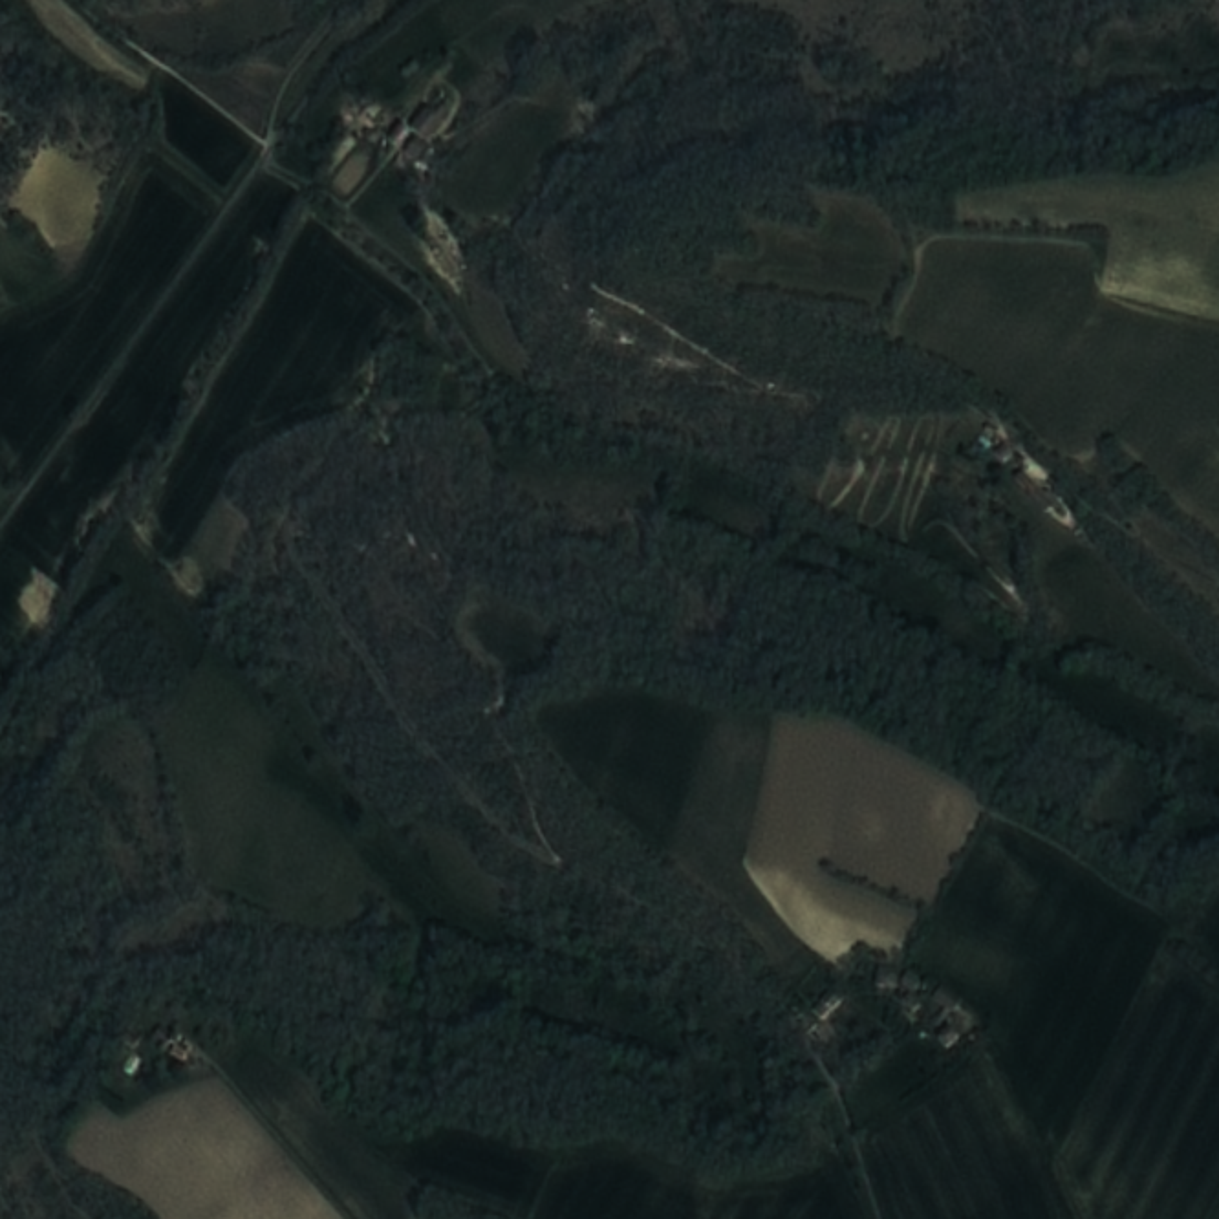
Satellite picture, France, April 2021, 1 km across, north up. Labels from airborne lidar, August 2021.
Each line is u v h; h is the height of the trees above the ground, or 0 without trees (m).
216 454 0
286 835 0
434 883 0
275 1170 0
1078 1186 0
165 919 13
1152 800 0
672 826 0
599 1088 27
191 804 0
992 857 0
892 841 0
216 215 0
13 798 15
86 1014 14
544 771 12
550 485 0
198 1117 0
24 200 0
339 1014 11
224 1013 19
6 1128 15
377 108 20
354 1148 0
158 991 13
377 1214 0
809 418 13
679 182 19
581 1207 0
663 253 12
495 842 13
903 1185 0
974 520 11
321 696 11
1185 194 0
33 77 29
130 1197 10
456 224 19
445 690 6
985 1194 0
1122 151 22
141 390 0
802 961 0
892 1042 13
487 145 0
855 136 10
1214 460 0
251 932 13
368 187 0
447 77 0
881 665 28
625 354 6
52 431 0
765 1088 16
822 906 0
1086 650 16
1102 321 0
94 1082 21
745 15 12
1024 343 0
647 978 8
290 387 0
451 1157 0
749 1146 19
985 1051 0
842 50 11
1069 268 0
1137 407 0
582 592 15
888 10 0
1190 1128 0
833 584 19
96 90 26
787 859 0
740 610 15
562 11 0
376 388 7
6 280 0
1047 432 0
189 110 0
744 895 0
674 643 14
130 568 0
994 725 20
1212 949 0
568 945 19
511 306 22
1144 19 11
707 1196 0
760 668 26
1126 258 0
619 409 17
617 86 14
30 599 0
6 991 20
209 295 0
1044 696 22
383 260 12
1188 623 26
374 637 7
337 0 15
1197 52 0
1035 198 0
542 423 13
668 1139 22
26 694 15
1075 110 8
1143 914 0
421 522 10
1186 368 0
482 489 13
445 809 19
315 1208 0
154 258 0
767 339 14
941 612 0
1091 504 22
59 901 20
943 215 17
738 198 15
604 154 17
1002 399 12
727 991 24
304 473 10
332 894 0
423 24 0
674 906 13
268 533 10
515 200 0
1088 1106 0
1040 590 17
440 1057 17
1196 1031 0
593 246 7
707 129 6
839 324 15
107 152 7
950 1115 0
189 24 0
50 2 0
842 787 0
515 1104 26
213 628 22
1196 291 0
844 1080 21
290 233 15
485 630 0
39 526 0
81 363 0
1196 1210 0
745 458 14
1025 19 9
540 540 10
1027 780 21
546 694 14
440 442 19
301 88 0
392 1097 20
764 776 0
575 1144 14
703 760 0
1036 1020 0
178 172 0
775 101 18
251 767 0
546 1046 19
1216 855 14
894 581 0
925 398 26
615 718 0
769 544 22
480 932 0
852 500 0
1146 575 23
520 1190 0
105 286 0
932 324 0
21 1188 10
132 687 7
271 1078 0
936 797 0
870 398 17
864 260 0
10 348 0
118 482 0
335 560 8
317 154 14
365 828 31
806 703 17
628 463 19
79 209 0
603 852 14
